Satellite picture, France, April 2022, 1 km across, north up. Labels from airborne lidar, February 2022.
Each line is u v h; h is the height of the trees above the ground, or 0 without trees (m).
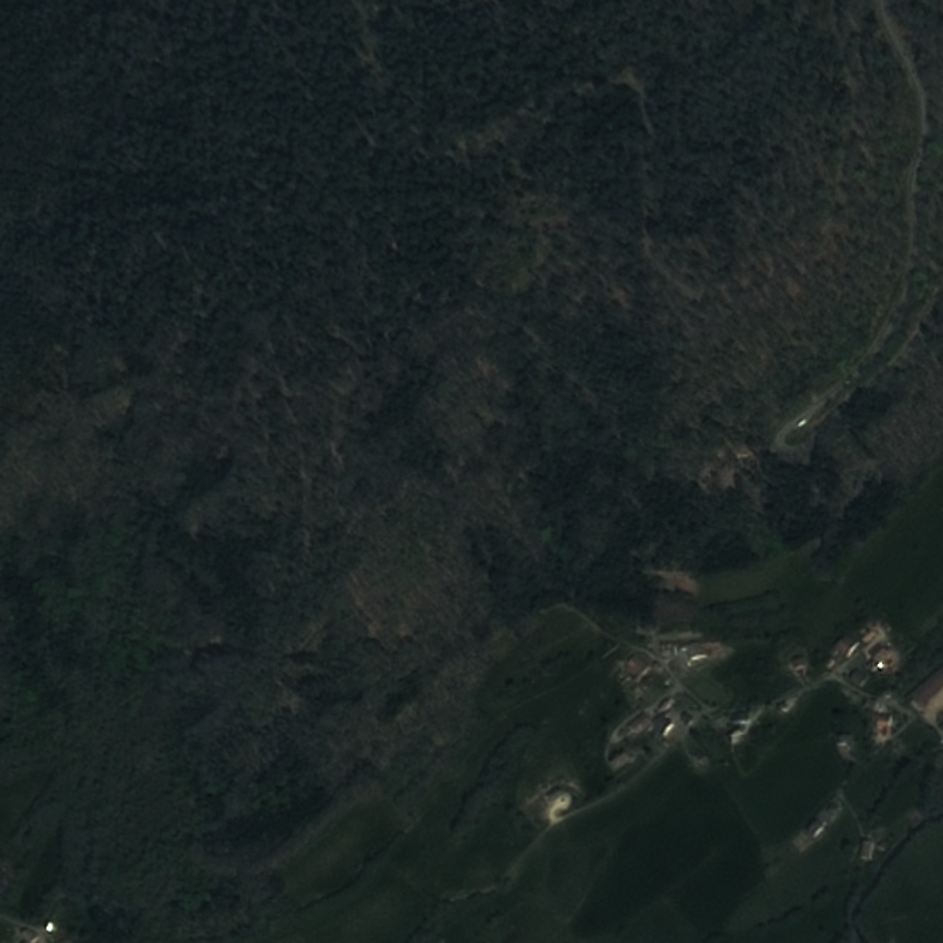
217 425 29
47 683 26
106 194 19
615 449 28
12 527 28
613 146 22
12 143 20
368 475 27
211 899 18
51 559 18
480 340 31
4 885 30
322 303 13
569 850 0
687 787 0
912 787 0
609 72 39
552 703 0
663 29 34
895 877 0
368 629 32
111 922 26
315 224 27
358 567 23
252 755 27
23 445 33
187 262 31
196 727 22
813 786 0
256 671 26
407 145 28
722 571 11
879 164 29
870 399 34
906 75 19
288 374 25
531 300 12
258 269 35
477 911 0
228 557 15
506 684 0
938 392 39
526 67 30
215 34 34
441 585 32
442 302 36
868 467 30
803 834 0
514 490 24
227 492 32
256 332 24
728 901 0
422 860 0
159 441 33
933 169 32
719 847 0
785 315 30
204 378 25
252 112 35
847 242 30
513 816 17
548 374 30
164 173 38
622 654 0
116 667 21
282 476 31
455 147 27
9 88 29
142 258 35
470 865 0
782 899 0
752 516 25
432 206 32
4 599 17
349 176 27
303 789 27
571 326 24
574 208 24
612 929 0
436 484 30
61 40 23
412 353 33
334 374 27
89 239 31
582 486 28
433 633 30
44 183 18
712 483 17
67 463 32
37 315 28
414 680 6
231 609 24
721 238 28
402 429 29
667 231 26
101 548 22
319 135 33
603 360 25
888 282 28
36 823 23
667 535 19
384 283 27
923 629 0
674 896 0
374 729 34
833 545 24
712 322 26
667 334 26
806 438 0
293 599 21
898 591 0
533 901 0
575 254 31
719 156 22
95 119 18
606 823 0
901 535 0
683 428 21
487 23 30
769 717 0
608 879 0
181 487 27
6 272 16
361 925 0
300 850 32
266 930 19
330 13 33
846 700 0
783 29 26
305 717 28
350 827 0
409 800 22
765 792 0
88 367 29
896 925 0
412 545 28
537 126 29
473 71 31
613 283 26
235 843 20
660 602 12
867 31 18
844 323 27
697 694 0
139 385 29
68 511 28
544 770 0
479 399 37
